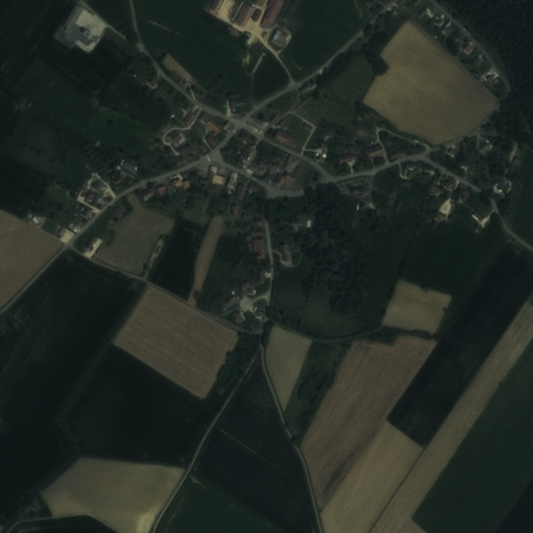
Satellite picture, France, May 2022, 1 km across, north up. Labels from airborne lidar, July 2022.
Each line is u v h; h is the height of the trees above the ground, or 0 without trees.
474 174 0
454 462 0
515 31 30
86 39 0
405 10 0
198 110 0
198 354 0
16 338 0
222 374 8
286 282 0
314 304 0
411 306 0
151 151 0
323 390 10
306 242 23
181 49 0
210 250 0
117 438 0
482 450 0
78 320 0
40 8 0
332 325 0
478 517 0
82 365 0
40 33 0
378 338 11
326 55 0
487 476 0
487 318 0
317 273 9
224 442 0
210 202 0
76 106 0
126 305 0
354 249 33
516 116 22
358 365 0
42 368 0
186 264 0
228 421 0
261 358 0
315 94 12
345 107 0
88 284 0
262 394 0
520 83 25
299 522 0
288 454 0
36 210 16
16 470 0
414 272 0
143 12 0
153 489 0
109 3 0
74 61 0
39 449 0
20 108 0
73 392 0
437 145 0
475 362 0
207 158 0
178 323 0
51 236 0
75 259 0
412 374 0
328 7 0
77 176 0
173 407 0
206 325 0
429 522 0
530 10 27
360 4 0
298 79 0
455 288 0
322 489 0
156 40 0
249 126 0
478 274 0
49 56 0
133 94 0
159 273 0
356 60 0
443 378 0
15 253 0
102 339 0
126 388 0
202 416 0
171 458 0
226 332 0
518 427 0
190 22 0
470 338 0
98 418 0
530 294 0
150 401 0
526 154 0
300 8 0
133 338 0
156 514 0
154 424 0
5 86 0
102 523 0
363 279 31
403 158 0
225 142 0
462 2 30
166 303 0
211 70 0
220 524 0
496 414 0
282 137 0
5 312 0
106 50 0
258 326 0
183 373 0
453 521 0
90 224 0
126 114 0
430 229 0
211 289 0
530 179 0
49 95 0
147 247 0
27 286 0
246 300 0
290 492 0
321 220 19
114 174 13
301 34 0
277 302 0
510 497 0
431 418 0
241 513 0
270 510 0
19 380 0
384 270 0
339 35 0
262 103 0
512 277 0
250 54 0
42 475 0
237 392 0
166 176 0
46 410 0
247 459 0
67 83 0
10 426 0
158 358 0
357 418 0
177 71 0
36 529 0
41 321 0
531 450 0
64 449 0
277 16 0
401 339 0
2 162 0
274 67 0
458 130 0
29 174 0
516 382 0
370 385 0
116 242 0
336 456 0
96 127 0
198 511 0
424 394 0
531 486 0
